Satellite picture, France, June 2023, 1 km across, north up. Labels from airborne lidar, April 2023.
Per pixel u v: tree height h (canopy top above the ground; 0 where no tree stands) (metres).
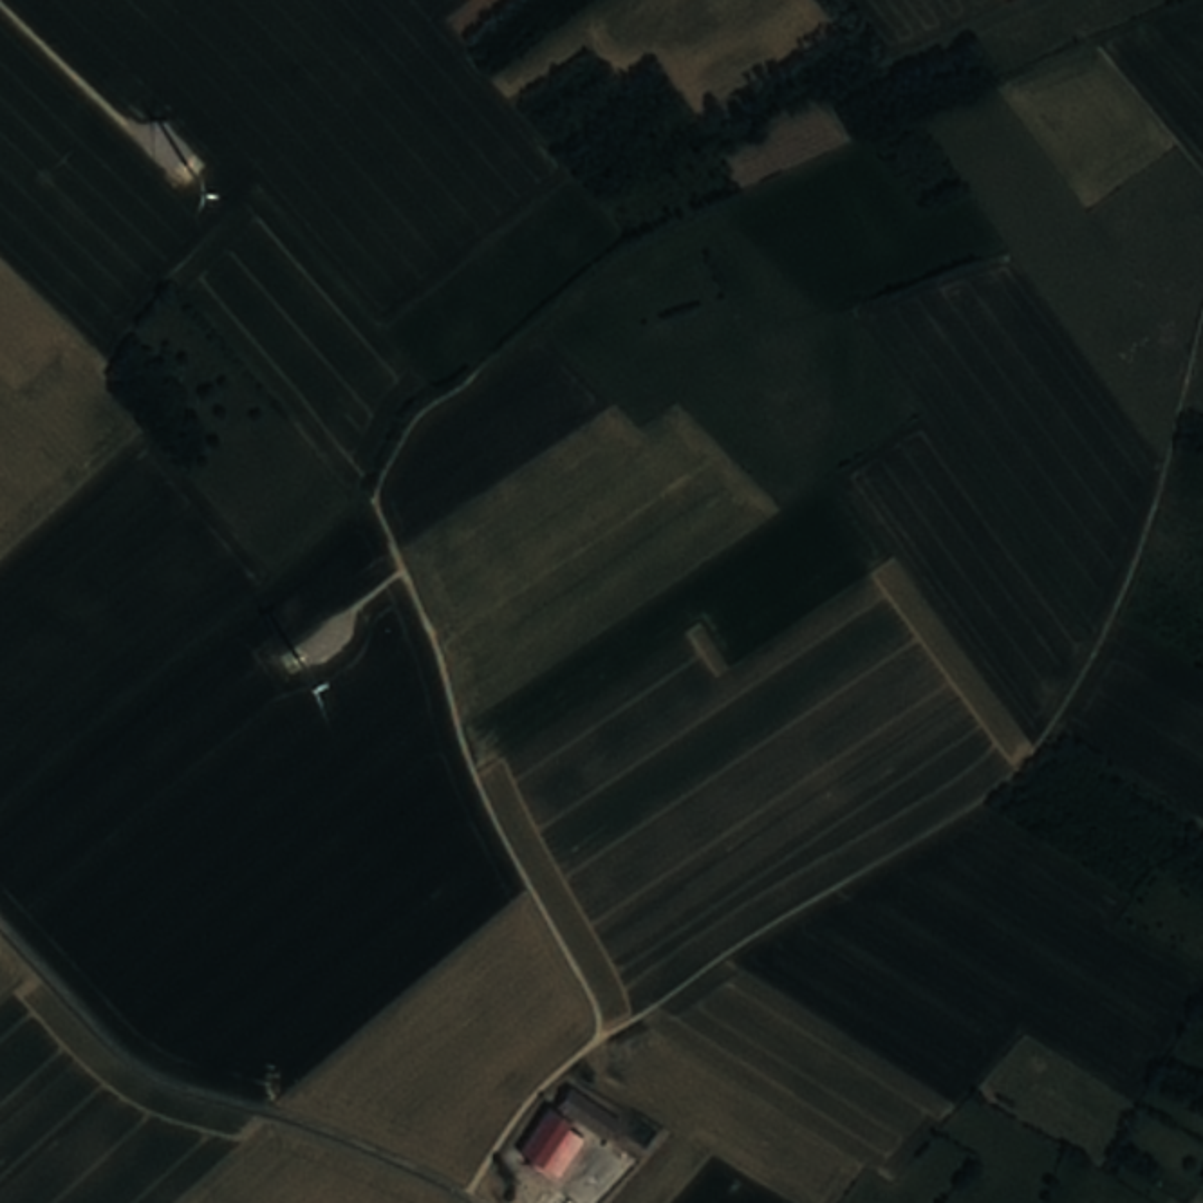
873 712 0
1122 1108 0
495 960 0
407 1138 0
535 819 0
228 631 0
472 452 0
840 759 0
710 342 0
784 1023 0
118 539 0
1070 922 0
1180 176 0
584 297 0
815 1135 0
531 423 0
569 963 0
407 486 0
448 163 0
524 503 0
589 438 0
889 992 0
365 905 0
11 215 0
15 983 0
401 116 0
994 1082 0
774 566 0
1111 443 0
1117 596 0
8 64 0
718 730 0
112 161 0
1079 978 0
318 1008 0
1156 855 8
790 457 0
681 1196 0
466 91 0
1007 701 0
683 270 0
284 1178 0
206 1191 0
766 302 0
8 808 0
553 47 0
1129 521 0
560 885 0
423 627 0
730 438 0
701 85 0
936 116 0
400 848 0
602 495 0
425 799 0
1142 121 0
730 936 0
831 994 0
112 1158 0
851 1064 0
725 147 16
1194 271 0
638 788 0
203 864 0
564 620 0
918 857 0
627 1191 0
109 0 0
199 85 0
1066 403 0
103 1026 0
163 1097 0
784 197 0
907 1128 0
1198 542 0
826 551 0
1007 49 0
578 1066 0
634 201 0
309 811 0
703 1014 0
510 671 0
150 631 0
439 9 0
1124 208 0
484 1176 0
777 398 0
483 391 0
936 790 0
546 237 0
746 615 0
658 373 0
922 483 0
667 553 0
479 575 0
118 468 0
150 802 0
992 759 0
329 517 0
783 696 0
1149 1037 0
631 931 0
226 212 0
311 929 0
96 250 0
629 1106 0
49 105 0
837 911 0
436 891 0
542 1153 0
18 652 0
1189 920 0
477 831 0
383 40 0
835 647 0
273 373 0
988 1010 0
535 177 0
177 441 17
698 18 0
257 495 0
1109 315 0
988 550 0
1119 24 0
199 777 0
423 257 0
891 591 0
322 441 0
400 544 0
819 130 0
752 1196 0
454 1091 0
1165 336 0
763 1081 0
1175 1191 0
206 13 0
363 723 0
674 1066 0
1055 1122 0
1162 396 0
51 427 0
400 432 8
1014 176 0
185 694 0
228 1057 0
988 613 0
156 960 0
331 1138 0
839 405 0
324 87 0
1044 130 0
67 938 0
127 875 0
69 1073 0
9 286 0
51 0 0
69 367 0
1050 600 0
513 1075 0
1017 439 0
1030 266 0
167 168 0
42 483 0
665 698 0
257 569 0
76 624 0
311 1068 0
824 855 0
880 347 0
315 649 0
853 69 22
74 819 0
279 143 0
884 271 0
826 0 17
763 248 0
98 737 0
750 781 0
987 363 0
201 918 0
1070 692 0
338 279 0
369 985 0
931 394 0
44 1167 0
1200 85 0
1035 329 0
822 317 0
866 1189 0
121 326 0
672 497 0
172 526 0
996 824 0
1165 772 0
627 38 0
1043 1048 0
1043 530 0
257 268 0
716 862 0
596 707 0
